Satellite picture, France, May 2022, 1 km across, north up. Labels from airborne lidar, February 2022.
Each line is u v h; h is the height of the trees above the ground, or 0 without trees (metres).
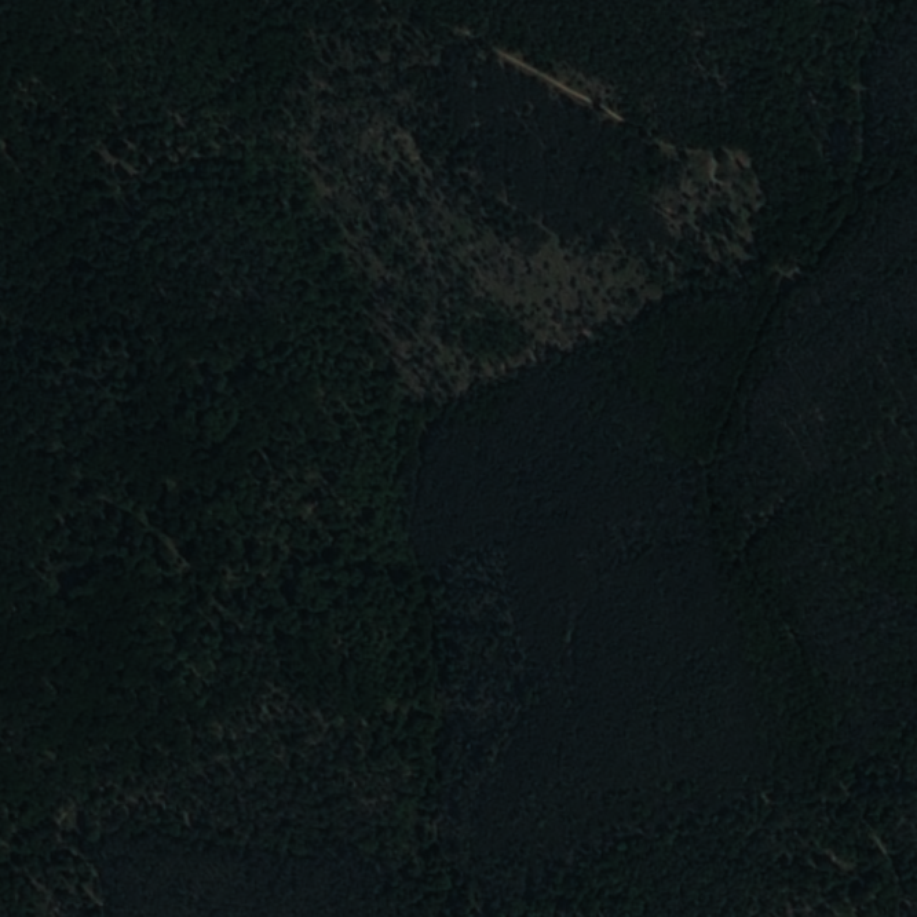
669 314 20
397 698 36
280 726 25
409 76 6
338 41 29
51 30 24
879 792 40
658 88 28
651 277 11
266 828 32
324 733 29
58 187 26
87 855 25
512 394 19
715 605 16
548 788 10
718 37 26
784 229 24
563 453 16
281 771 25
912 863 29
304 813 29
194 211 31
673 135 27
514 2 25
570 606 11
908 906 28
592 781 14
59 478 34
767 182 25
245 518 32
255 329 25
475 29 24
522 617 15
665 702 17
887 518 18
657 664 16
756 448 21
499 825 11
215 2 27
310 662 30
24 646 30
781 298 18
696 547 16
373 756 23
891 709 22
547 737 11
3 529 24
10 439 24
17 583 28
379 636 24
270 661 26
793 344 17
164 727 27
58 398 25
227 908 21
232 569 31
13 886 30
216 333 30
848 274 21
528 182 11
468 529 17
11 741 27
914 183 21
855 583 18
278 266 24
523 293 0
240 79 23
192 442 30
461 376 29
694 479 15
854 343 19
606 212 11
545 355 27
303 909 24
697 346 21
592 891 25
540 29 23
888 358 17
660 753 15
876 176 20
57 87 27
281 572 37
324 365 19
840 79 29
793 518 23
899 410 9
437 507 17
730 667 17
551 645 14
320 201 31
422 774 18
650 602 14
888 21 28
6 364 26
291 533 31
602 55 25
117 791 30
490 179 11
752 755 14
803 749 23
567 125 11
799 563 21
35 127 34
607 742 14
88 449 28
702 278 24
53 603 31
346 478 26
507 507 14
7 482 27
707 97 26
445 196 27
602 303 29
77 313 29
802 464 16
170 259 27
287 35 25
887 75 26
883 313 21
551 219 9
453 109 7
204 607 31
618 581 14
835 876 26
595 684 14
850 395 13
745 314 19
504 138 9
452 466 17
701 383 17
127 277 26
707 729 16
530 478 15
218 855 25
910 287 18
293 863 28
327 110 27
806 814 27
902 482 17
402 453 23
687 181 25
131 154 36
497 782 12
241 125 29
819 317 22
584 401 18
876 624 22
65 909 34
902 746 28
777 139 26
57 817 28
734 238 24
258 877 26
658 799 9
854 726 23
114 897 24
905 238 21
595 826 13
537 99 10
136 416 29
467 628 24
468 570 22
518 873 28
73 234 32
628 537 27
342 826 30
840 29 30
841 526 21
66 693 30
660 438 17
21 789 23
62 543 32
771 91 31
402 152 28
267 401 28
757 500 25
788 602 20
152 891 22
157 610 35
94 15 24
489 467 18
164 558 36
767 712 17
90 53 22
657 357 18
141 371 28
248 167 28
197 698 30
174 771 31
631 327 11
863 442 8
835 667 19
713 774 16
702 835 20
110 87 22
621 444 17
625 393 16
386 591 30
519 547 15
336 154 24
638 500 12
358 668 24
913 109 24
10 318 25
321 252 30
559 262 0
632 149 10
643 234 12
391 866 18
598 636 14
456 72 8
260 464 30
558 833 11
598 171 11
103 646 28
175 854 26
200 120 22
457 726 9
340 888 25
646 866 27
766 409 18
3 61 33
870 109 23
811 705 18
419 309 27
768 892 26
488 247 27
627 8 24
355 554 29
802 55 29
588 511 13
